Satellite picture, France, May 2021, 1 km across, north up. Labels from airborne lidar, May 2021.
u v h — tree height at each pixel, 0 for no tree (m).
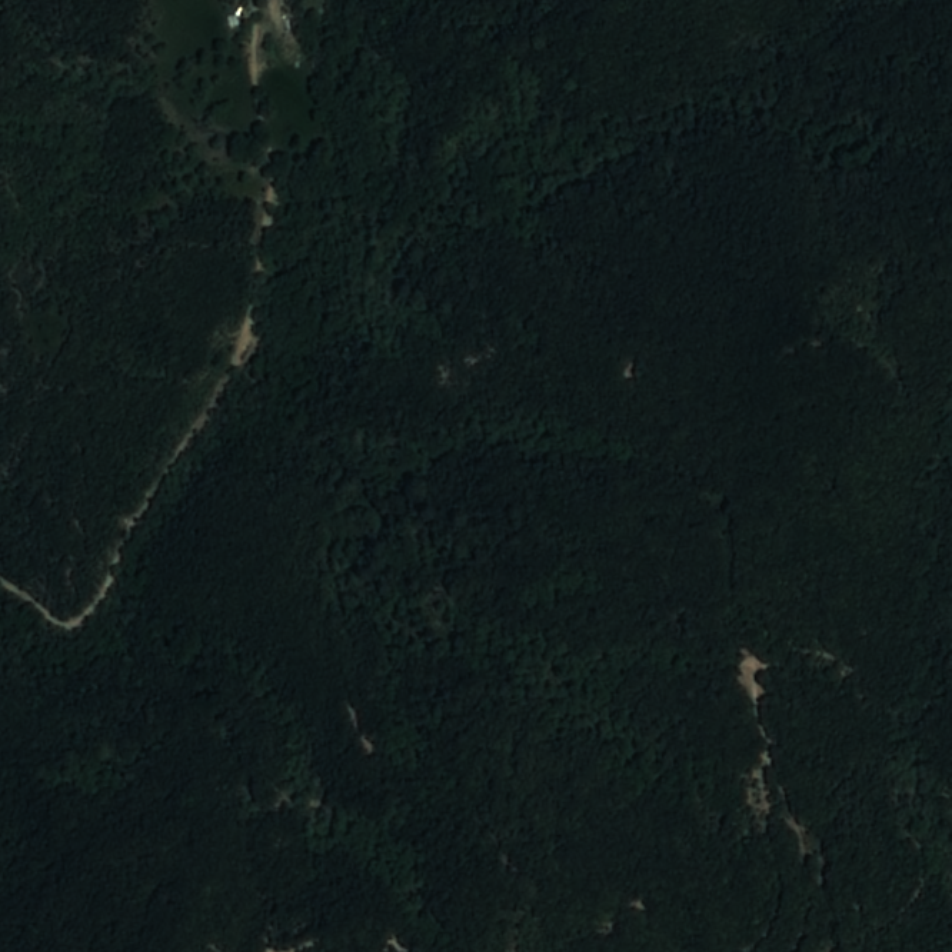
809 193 22
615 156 19
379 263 14
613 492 17
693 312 13
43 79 12
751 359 12
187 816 13
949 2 17
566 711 20
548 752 19
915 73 18
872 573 13
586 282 18
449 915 19
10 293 8
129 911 19
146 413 13
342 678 8
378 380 10
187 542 12
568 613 15
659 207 17
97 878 17
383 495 15
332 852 15
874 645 8
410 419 12
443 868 14
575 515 12
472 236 14
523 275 17
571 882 16
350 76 20
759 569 15
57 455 9
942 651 20
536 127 20
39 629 17
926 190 16
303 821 11
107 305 16
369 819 14
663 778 11
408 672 23
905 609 14
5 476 6
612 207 19
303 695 10
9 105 10
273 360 15
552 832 12
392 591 14
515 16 15
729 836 12
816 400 12
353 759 12
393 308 14
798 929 14
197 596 11
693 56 19
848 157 23
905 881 15
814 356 14
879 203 14
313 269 17
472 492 13
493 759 15
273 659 11
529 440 21
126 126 11
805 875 19
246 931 12
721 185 17
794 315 15
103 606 13
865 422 15
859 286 8
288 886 14
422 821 14
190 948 13
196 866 20
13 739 13
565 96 17
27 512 8
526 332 15
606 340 11
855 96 14
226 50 17
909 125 18
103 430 11
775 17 13
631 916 15
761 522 14
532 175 10
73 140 18
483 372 10
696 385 15
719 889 15
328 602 8
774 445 7
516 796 17
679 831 16
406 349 14
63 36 9
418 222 13
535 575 20
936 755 16
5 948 12
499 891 13
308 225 6
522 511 14
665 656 17
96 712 16
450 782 17
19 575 10
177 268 7
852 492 17
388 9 12
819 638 9
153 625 26
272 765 8
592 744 11
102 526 8
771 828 12
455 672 18
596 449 23
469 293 11
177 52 0
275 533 15
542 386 15
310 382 15
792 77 18
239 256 10
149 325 12
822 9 12
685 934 14
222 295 7
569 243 21
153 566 12
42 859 12
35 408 8
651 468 19
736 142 15
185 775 13
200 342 7
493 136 23
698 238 17
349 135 17
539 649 20
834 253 15
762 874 19
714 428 15
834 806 15
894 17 17
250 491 12
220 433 13
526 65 15
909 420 15
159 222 23
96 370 16
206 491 12
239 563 13
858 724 13
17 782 9
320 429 17
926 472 7
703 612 24
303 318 19
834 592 18
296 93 0
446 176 20
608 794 17
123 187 10
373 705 20
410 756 18
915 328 14
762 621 11
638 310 20
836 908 15
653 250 15
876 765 10
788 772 19
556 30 22
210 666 11
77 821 17
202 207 12
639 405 16
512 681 18
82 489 10
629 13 17
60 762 18
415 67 12
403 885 23
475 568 13
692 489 15
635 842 17
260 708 12
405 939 9
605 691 16
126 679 12
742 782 8
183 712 18
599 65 17
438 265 16
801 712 10
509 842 7
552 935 7
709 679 12
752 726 16
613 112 14
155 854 14
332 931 12
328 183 25
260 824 16
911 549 14
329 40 17
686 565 18
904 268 14
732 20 13
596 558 17
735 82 23
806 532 9
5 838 7
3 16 17
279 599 11
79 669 12
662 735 14
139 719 19
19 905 17
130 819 14
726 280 18
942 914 9
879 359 9
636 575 21
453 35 22
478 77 16
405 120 16
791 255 15
